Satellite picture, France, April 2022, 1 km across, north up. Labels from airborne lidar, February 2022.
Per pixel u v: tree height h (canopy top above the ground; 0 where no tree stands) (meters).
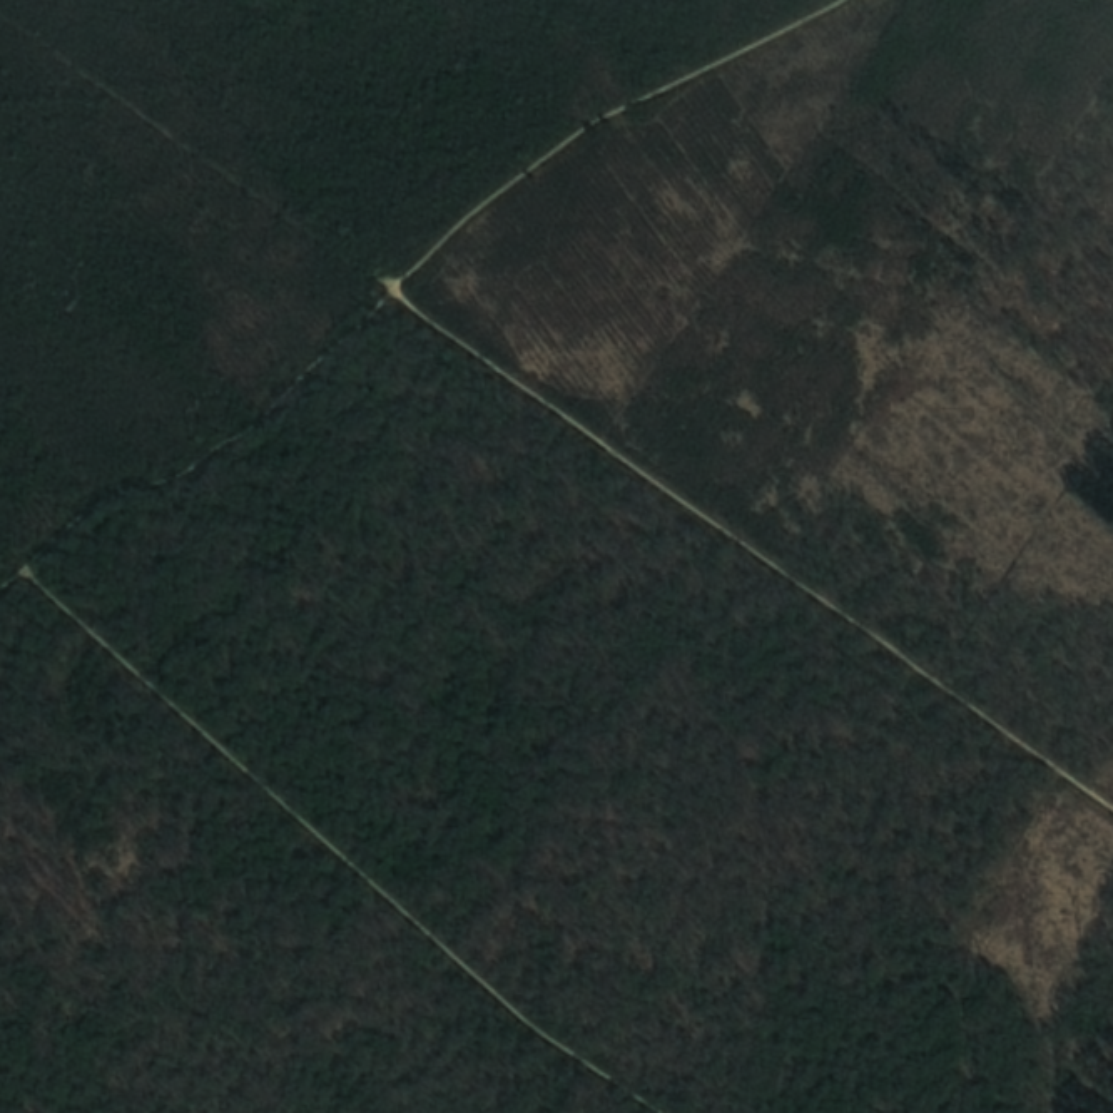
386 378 24
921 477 0
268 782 21
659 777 21
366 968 22
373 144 19
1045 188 0
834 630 21
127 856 0
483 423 23
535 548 25
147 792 8
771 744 28
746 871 26
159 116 12
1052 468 0
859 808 25
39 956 23
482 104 15
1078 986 0
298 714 26
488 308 0
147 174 15
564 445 19
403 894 26
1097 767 17
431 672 28
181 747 29
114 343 16
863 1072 23
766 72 0
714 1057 23
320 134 10
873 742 21
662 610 27
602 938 26
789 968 23
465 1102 24
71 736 24
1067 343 18
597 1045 24
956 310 0
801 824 24
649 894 21
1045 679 20
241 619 25
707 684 26
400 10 17
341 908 25
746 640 25
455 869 23
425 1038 22
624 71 17
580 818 24
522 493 25
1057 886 0
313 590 27
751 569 25
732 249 0
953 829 26
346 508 26
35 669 26
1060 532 0
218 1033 19
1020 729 16
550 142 14
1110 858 0
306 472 23
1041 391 0
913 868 22
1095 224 21
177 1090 27
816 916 23
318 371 6
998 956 0
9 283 16
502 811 24
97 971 24
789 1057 26
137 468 16
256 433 25
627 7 18
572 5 14
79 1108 26
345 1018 29
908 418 0
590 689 26
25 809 25
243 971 23
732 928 20
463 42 16
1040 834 0
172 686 22
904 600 22
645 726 24
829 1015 19
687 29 18
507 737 25
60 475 17
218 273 12
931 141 15
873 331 0
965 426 0
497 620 28
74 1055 22
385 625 27
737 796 26
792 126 0
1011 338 0
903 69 10
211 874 23
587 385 0
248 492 25
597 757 24
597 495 26
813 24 0
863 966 22
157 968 23
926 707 21
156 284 21
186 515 26
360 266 12
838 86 0
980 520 0
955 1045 21
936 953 25
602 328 0
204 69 12
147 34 14
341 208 15
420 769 24
